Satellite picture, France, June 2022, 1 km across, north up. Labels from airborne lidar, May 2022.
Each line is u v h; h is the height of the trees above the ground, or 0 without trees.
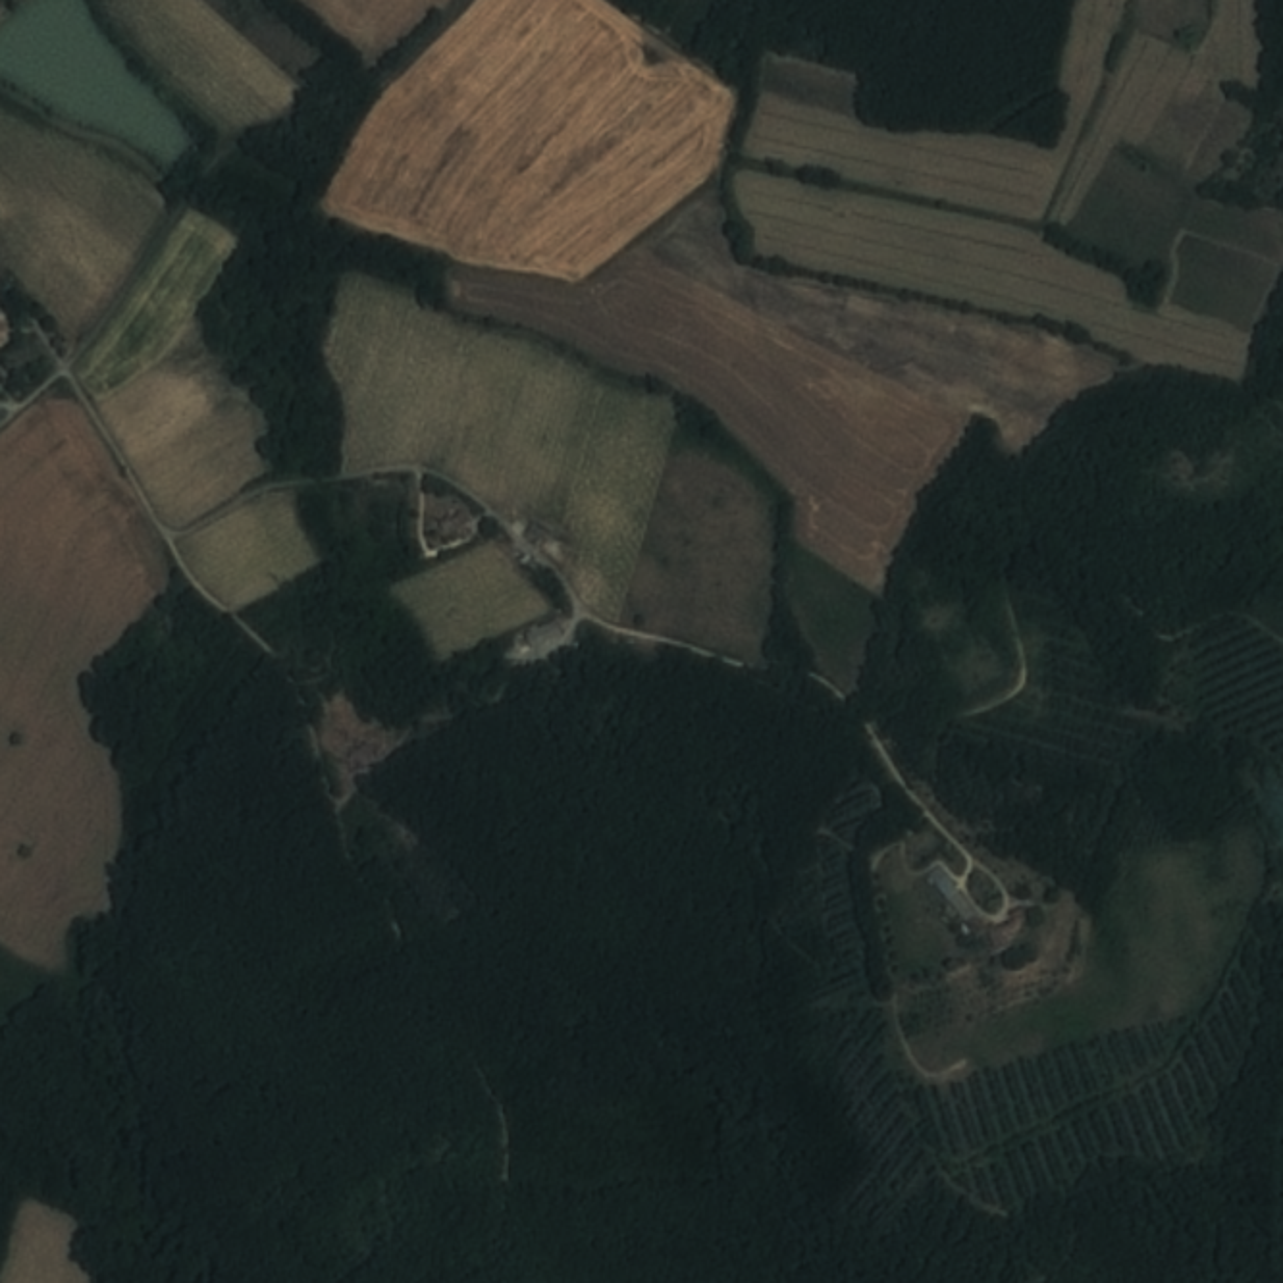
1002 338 0
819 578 0
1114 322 0
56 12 0
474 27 0
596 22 0
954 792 10
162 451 0
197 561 0
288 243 20
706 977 20
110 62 0
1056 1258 13
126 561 0
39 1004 18
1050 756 14
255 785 16
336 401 6
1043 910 7
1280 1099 21
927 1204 12
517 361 0
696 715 17
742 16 18
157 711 18
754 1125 25
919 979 16
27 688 0
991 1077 10
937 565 9
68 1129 21
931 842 0
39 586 0
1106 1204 19
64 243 0
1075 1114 11
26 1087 15
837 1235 24
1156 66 0
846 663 0
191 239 0
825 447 0
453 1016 16
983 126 12
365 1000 16
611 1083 19
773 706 15
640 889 18
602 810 18
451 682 10
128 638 8
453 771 16
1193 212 0
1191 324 0
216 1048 16
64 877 0
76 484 0
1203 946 0
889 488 0
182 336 0
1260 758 10
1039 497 17
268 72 0
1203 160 0
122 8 0
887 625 8
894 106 16
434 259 9
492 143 0
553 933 17
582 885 13
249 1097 20
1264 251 0
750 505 0
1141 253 0
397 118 0
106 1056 11
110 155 0
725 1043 14
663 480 0
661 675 9
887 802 13
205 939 14
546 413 0
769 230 0
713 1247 21
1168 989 0
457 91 0
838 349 0
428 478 8
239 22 0
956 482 10
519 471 0
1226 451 8
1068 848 12
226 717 12
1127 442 15
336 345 0
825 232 0
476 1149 10
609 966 15
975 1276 15
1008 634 7
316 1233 6
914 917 0
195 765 19
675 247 0
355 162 0
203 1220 23
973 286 0
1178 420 12
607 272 0
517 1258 13
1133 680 16
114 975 23
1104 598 21
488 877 13
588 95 0
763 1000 18
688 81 0
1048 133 14
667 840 21
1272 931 14
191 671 7
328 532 6
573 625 0
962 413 0
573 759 16
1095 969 0
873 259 0
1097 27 0
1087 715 7
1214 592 16
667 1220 21
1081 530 24
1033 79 18
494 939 19
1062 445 16
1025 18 19
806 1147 14
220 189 14
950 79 18
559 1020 22
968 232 0
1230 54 0
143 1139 18
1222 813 9
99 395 0
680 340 0
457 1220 11
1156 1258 16
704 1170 8
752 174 0
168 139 0
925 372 0
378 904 12
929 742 8
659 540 0
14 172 0
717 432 11
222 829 17
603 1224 17
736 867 23
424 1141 15
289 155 13
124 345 0
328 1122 17
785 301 0
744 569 0
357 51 12
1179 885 0
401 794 12
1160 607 13
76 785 0
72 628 0
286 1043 19
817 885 7
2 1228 19
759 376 0
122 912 11
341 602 7
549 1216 15
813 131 0
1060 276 0
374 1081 16
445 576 0
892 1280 16
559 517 0
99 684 21
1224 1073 13
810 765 13
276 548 0
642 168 0
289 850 11
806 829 14
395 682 8
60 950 0
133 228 0
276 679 15
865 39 17
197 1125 19
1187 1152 6
